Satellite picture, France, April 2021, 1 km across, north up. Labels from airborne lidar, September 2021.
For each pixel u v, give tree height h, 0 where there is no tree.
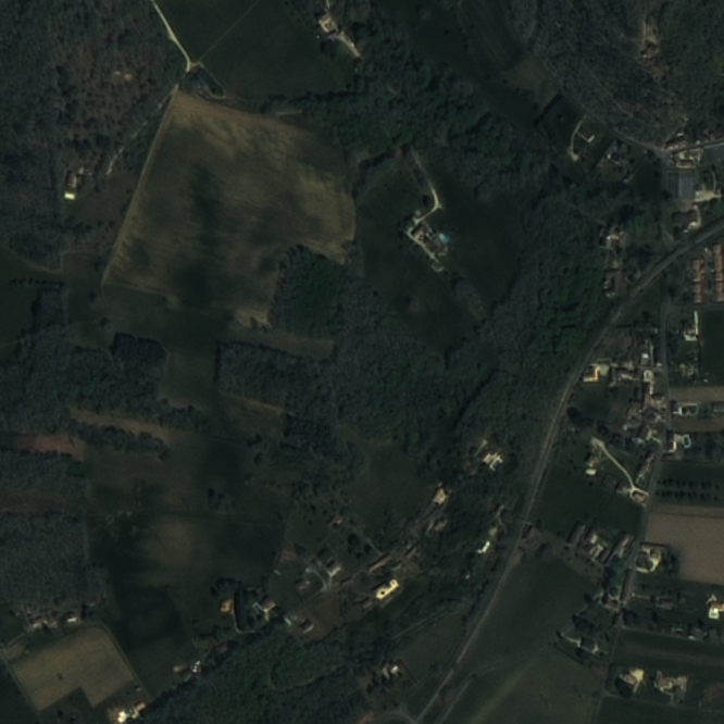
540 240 15
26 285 7
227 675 23
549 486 0
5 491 17
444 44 0
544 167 23
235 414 0
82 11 15
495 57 0
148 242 0
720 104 8
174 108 0
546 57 17
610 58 11
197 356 0
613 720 0
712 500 11
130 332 0
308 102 11
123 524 0
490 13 0
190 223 0
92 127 13
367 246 0
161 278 0
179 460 0
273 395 16
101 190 16
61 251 16
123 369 16
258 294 0
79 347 0
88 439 21
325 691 21
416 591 0
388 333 25
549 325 14
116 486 0
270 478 0
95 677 0
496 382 15
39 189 16
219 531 0
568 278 22
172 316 0
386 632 14
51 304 23
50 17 16
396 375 22
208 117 0
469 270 0
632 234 25
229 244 0
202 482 0
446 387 20
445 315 0
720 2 20
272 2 0
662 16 12
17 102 23
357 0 13
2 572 19
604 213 29
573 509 0
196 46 0
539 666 0
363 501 0
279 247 0
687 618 0
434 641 0
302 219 0
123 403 19
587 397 0
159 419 17
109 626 0
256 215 0
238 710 28
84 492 17
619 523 0
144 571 0
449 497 8
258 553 0
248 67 0
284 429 0
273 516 0
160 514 0
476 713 0
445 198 0
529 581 0
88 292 0
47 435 11
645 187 0
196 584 0
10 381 22
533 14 16
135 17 17
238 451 0
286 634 20
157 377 16
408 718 0
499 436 15
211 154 0
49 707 0
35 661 0
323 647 17
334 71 0
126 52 20
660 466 0
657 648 0
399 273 0
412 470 0
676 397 0
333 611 0
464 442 17
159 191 0
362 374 21
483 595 12
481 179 20
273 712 20
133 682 0
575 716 0
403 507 0
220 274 0
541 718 0
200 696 24
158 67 18
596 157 0
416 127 20
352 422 24
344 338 24
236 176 0
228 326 18
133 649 0
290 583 0
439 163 20
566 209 19
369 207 0
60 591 19
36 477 18
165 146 0
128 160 11
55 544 21
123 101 15
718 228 0
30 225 10
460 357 19
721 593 0
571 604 0
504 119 0
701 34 16
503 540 16
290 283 20
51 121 15
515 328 17
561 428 11
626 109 11
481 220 0
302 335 21
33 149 12
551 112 13
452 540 9
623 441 14
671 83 13
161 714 22
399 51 27
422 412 24
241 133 0
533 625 0
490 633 0
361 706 26
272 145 0
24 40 25
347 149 18
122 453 17
